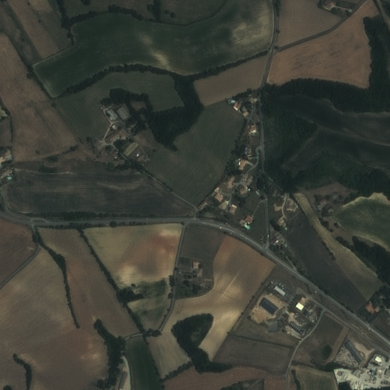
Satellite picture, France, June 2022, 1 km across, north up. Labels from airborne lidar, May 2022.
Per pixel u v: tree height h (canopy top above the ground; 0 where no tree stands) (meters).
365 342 0
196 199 0
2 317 0
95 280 0
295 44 0
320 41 0
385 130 0
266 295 0
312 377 0
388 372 0
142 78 0
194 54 0
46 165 0
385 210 0
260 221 0
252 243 0
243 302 0
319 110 0
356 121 0
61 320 0
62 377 0
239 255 0
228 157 0
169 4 0
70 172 0
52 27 0
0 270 0
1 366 0
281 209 0
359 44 0
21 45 0
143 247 0
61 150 0
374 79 14
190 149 0
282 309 0
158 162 0
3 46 0
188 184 0
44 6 0
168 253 0
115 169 6
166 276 0
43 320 0
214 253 0
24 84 0
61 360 0
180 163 0
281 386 0
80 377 0
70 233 0
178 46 0
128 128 7
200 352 12
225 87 0
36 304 0
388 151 0
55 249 0
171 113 14
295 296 6
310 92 22
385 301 13
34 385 0
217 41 0
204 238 0
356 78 0
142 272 0
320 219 6
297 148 10
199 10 0
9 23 0
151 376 0
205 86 0
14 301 0
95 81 12
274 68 0
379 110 16
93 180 0
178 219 0
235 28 0
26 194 0
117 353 12
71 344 0
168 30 0
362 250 13
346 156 0
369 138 0
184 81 12
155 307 0
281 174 9
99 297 0
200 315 11
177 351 0
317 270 0
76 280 0
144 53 0
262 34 0
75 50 0
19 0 0
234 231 0
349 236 0
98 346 0
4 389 7
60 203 0
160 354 0
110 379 13
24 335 0
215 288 0
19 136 0
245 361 0
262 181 13
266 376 0
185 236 0
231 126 0
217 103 0
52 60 0
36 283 0
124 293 11
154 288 0
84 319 0
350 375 0
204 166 0
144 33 0
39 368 0
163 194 0
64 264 11
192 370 0
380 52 16
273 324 0
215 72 16
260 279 0
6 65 0
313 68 0
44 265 0
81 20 12
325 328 0
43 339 0
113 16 0
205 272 0
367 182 16
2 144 0
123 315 0
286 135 8
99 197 0
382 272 14
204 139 0
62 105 0
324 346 0
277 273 0
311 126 14
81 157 0
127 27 0
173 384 0
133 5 0
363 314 8
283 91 16
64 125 0
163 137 20
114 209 0
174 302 0
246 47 0
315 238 0
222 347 0
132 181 0
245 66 0
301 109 0
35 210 0
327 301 0
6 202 0
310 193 0
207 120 0
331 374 0
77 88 13
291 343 0
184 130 11
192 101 17
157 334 12
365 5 0
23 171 0
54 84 0
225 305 0
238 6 0
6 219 0
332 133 0
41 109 0
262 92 15
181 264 0
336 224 12
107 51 0
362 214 0
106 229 0
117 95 16
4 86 0
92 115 0
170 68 0
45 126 0
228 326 0
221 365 11
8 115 9
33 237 10
